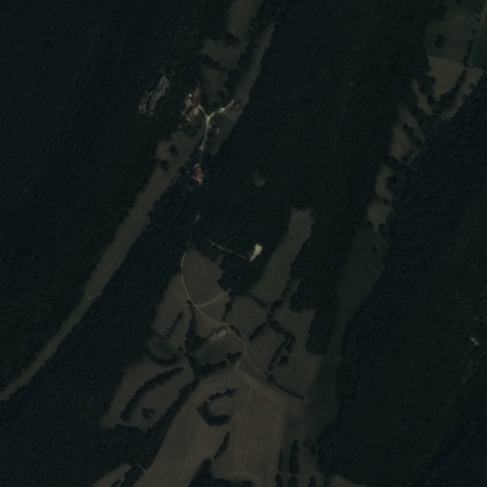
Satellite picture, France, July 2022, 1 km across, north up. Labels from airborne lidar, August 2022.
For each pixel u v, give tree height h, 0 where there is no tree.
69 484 17
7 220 22
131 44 22
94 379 15
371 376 15
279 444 0
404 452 16
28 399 21
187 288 0
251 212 9
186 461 0
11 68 19
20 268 21
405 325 16
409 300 19
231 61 0
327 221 19
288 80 15
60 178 19
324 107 12
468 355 8
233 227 6
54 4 21
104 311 19
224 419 14
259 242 10
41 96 18
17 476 9
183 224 19
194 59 21
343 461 20
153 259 19
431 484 27
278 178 12
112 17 6
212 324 0
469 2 0
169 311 0
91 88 8
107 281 0
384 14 15
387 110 21
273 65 18
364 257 0
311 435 0
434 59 0
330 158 12
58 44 17
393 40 23
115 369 18
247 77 0
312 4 18
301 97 14
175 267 12
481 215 18
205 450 0
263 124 13
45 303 12
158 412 0
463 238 16
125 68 23
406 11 19
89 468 12
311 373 0
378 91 25
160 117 7
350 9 16
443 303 16
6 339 23
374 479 18
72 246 10
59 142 15
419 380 12
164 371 0
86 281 8
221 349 0
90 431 15
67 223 13
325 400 0
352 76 10
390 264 29
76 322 0
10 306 11
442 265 15
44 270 16
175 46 9
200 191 17
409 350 15
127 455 14
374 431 13
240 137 15
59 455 15
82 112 21
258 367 0
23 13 24
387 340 14
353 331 18
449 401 10
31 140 15
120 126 13
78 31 20
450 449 22
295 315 0
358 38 12
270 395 0
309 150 15
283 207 13
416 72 21
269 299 0
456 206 26
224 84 0
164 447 0
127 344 22
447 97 20
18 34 22
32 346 23
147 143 20
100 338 17
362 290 0
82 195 16
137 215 0
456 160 26
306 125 13
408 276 23
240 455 0
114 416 0
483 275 12
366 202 26
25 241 27
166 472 0
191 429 0
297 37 17
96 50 9
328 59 13
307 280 17
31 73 19
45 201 19
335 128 12
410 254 23
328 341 18
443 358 12
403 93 20
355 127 20
